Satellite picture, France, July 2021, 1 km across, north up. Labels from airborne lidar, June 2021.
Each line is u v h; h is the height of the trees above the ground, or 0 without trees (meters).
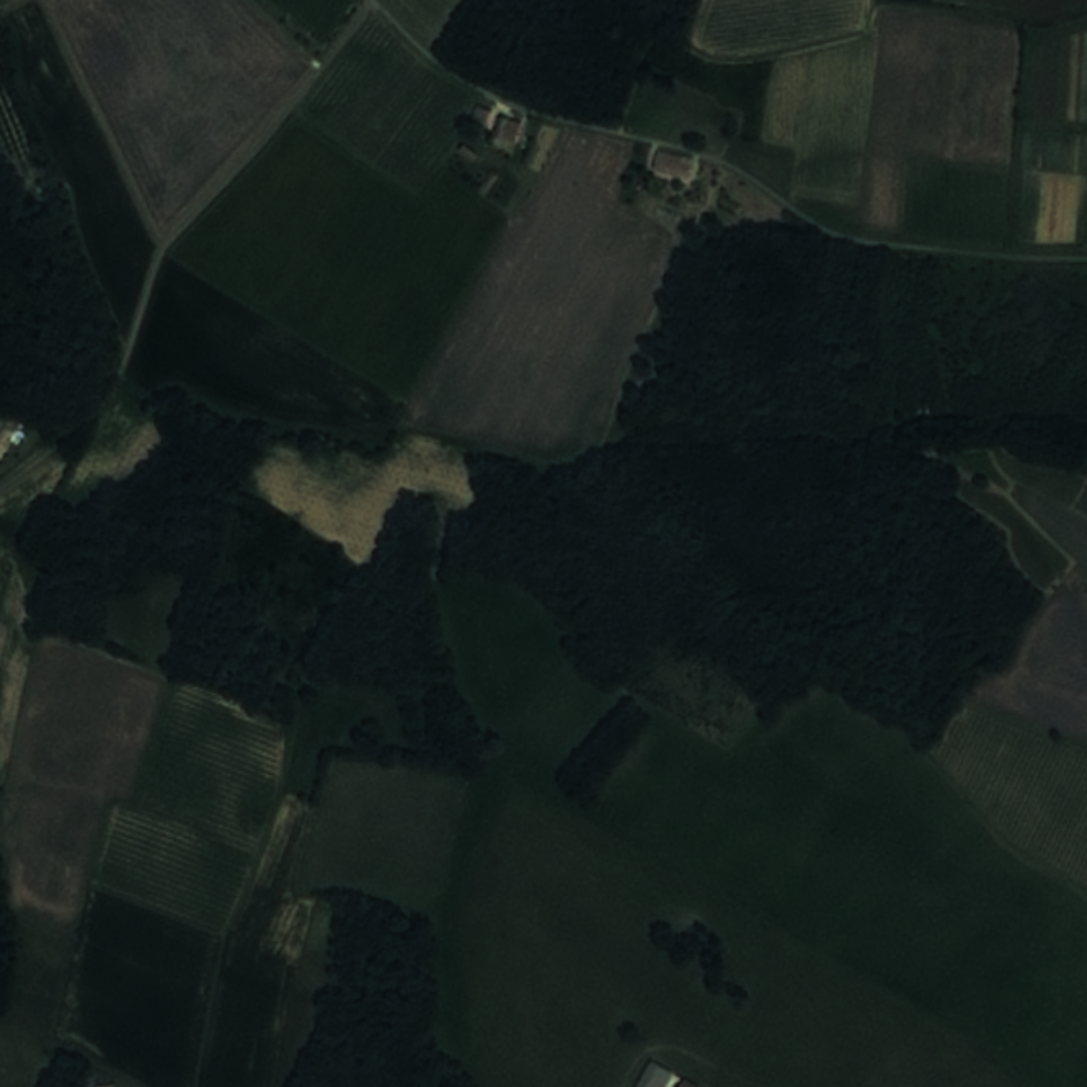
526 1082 0
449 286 0
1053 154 0
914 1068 0
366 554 0
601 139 0
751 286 18
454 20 12
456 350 0
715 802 0
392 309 0
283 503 0
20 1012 0
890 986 0
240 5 0
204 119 0
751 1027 0
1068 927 0
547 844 0
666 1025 0
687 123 0
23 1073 0
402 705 9
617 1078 0
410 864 0
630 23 16
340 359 0
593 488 28
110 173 0
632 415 20
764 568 17
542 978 0
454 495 0
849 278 15
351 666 21
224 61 0
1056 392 8
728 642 18
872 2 0
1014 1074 0
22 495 0
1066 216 0
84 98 0
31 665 0
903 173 0
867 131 0
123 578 19
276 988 0
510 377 0
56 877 0
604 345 0
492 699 0
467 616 0
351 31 0
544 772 0
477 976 0
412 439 0
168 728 0
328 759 12
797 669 20
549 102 18
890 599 19
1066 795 0
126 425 0
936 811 0
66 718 0
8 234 19
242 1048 0
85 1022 0
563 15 23
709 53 0
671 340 16
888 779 0
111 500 24
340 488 0
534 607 0
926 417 9
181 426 19
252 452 16
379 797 0
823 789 0
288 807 0
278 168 0
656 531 16
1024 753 0
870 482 21
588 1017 0
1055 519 0
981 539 20
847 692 14
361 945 24
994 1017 0
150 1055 0
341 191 0
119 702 0
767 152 0
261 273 0
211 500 22
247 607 23
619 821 0
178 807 0
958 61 0
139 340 0
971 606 24
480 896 0
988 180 0
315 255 0
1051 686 0
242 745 0
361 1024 24
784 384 18
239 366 0
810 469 21
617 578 19
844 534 17
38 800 0
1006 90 0
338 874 0
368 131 0
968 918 0
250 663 20
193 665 11
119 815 0
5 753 0
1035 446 16
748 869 0
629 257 0
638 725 16
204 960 0
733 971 0
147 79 0
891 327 8
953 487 19
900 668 17
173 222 0
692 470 15
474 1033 0
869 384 10
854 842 0
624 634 18
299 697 11
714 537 14
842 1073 0
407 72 0
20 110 10
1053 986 0
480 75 14
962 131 0
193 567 20
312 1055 22
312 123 0
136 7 0
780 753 0
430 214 0
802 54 0
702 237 20
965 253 0
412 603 26
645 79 17
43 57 0
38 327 10
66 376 21
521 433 0
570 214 0
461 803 0
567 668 0
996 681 0
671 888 0
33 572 0
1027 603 13
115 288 0
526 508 25
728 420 18
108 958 0
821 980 0
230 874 0
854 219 0
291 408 0
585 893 0
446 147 0
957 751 0
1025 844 0
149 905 0
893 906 0
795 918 0
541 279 0
